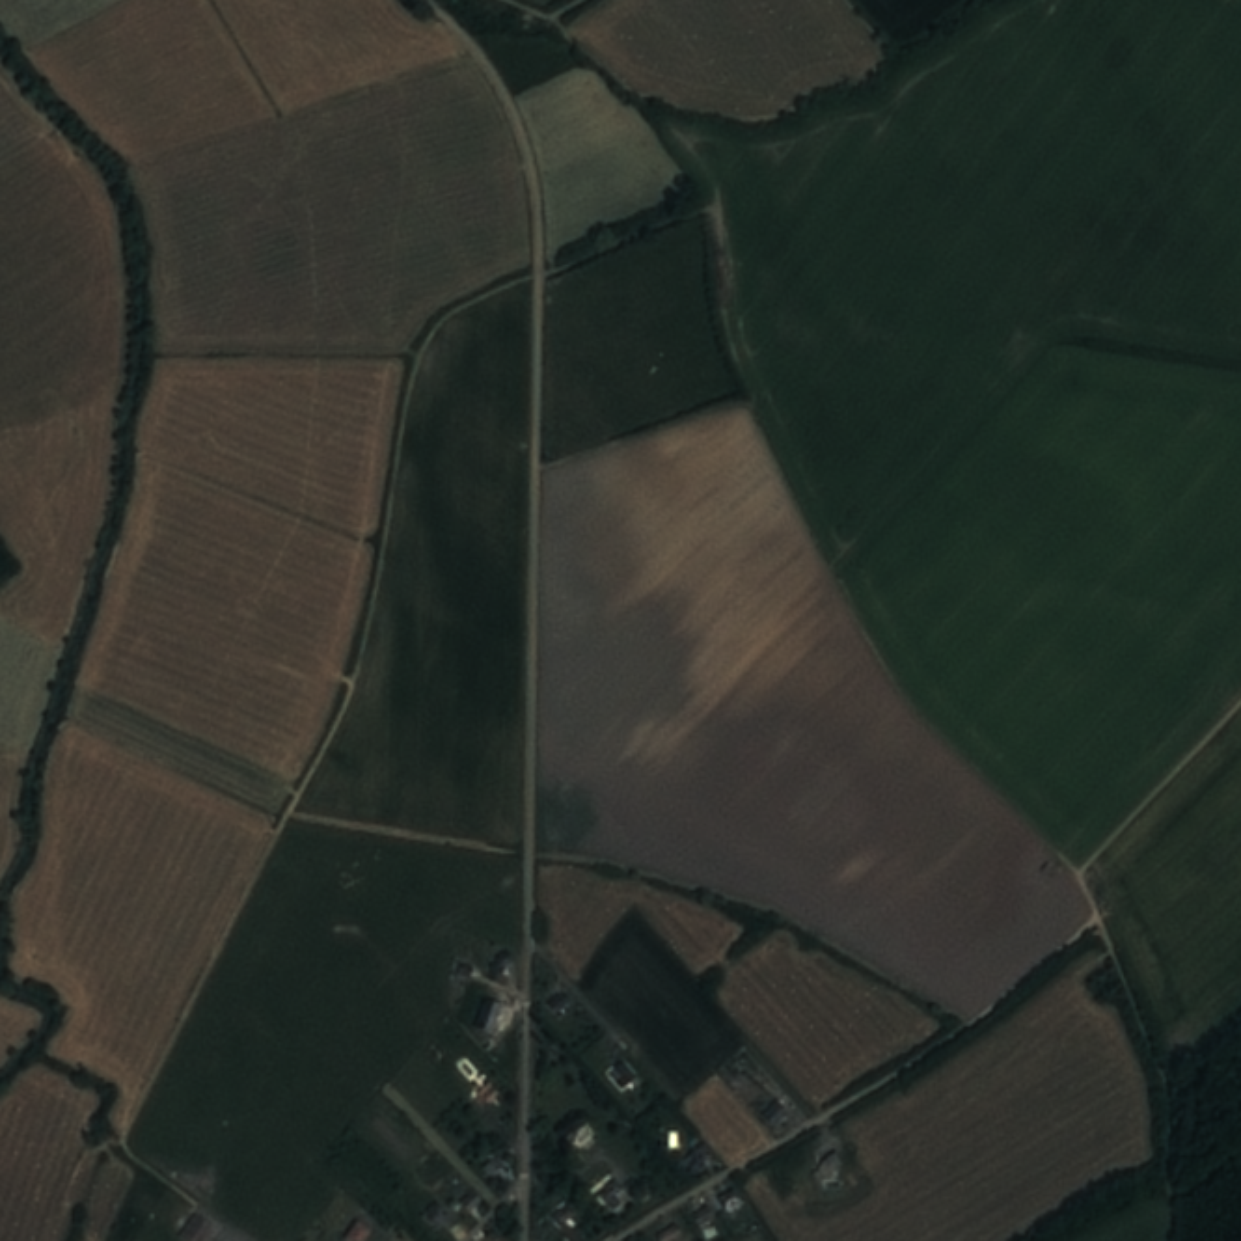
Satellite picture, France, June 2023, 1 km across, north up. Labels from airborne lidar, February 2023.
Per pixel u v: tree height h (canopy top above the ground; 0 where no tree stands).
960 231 0
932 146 0
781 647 0
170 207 0
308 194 0
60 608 0
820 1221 0
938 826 0
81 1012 0
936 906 0
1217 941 0
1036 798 0
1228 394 0
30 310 0
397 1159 0
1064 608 0
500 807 0
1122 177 0
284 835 0
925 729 0
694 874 0
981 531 0
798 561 0
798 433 0
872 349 0
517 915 0
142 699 0
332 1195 0
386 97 0
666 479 0
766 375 0
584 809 0
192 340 0
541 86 0
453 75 0
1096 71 0
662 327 0
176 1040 0
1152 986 0
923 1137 0
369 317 0
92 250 0
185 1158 0
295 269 0
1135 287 0
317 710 0
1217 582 0
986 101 0
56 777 0
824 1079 0
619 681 0
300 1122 0
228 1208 0
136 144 0
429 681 0
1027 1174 0
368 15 0
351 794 0
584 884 0
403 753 0
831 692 0
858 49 0
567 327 0
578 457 0
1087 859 0
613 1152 0
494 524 0
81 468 0
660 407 0
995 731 0
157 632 0
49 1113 0
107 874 0
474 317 0
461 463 0
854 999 0
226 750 0
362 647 0
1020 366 0
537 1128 13
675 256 0
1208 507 0
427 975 0
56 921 0
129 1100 0
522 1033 0
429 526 0
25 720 0
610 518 0
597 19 0
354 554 0
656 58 0
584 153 0
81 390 0
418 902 0
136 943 0
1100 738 0
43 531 0
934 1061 8
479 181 0
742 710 0
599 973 0
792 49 0
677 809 0
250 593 0
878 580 0
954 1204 0
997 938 0
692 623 0
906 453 0
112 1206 0
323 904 0
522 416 0
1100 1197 18
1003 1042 0
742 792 0
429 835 0
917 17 0
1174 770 0
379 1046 0
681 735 0
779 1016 0
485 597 0
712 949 0
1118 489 0
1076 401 0
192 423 0
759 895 0
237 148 0
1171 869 0
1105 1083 0
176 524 0
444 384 0
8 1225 0
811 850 0
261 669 0
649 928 0
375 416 0
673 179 0
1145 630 0
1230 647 0
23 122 0
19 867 0
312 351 0
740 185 0
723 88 0
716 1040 0
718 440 0
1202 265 0
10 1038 0
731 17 0
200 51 0
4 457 0
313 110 0
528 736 0
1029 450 0
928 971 0
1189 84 0
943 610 0
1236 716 0
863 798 0
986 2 7
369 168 0
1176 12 0
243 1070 0
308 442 0
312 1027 0
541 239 0
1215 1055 21
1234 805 0
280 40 0
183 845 0
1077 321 0
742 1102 0
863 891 0
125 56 0
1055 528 0
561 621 0
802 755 0
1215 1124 22
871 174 0
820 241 0
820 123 0
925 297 0
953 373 0
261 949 0
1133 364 0
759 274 0
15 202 0
